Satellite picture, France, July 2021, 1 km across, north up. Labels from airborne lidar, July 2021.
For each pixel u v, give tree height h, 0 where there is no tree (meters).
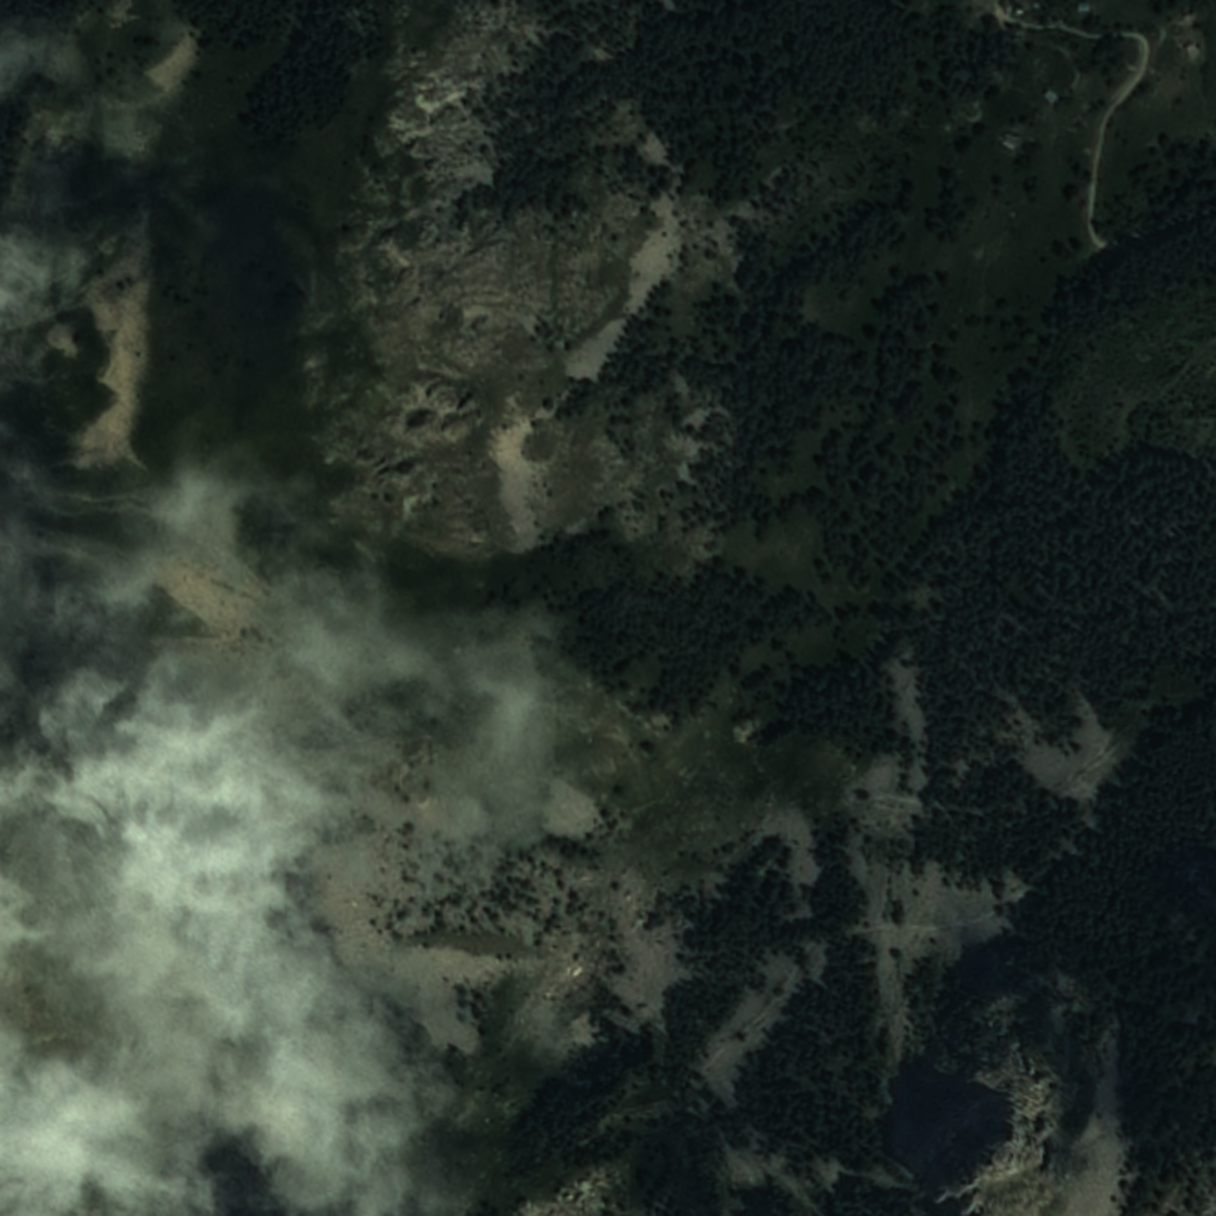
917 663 9
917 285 26
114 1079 0
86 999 0
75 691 0
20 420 0
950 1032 7
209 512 0
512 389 0
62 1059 0
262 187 0
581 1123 11
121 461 0
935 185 0
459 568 0
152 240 0
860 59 29
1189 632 25
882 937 0
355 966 0
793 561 0
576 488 0
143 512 0
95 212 0
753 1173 0
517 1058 0
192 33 8
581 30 17
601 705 0
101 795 0
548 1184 0
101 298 0
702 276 0
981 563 23
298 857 0
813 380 20
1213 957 9
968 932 0
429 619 0
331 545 0
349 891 0
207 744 0
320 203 0
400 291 0
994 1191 0
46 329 0
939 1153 0
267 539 0
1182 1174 12
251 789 0
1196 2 10
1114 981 15
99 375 0
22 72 15
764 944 8
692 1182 9
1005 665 17
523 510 0
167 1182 0
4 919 0
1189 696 0
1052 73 0
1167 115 0
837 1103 10
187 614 0
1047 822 9
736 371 22
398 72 0
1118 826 20
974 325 11
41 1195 0
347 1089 0
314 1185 0
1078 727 14
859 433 8
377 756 0
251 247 0
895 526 23
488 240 0
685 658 13
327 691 0
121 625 0
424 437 0
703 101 21
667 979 0
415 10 0
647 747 13
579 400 13
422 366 0
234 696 0
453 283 0
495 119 5
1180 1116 18
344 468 0
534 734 0
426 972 0
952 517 12
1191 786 16
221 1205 0
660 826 0
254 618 0
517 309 0
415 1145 0
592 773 0
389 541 0
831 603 0
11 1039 0
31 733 0
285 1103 0
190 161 0
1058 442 15
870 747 9
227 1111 0
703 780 0
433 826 0
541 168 19
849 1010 10
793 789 0
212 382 0
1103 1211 0
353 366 0
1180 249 26
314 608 0
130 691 0
